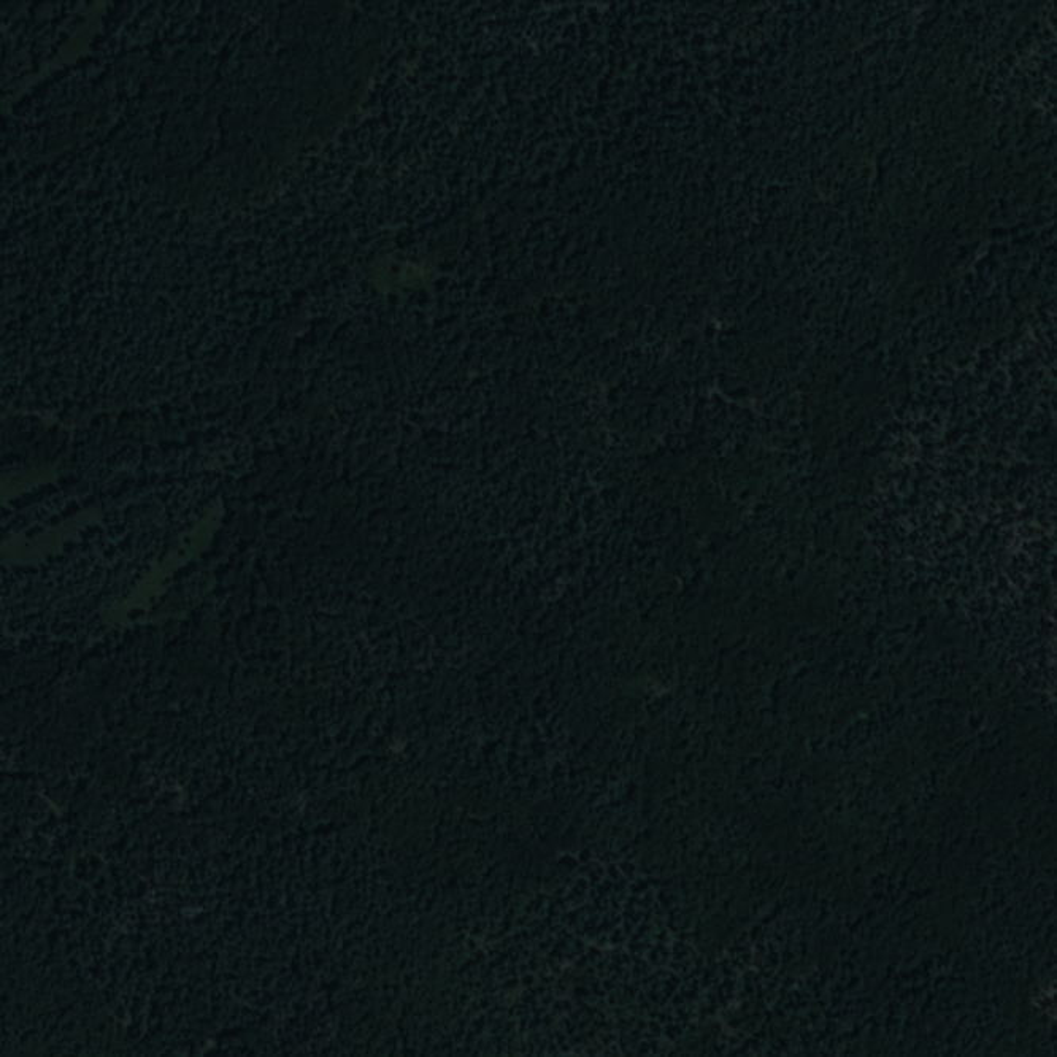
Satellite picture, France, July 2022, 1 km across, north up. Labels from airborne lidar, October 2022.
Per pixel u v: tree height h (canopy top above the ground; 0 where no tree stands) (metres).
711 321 8
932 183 14
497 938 12
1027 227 11
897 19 20
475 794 21
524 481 16
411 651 20
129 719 27
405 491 20
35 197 27
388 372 23
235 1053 22
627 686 19
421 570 22
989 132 13
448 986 16
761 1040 17
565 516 16
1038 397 20
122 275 11
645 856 20
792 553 17
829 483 14
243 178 20
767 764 23
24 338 19
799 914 22
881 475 15
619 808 24
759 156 20
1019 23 17
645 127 20
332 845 29
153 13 21
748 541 17
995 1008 21
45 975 20
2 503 0
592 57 21
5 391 16
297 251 6
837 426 15
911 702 17
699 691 8
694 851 17
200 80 23
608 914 18
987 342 18
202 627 24
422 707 20
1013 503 18
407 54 18
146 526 5
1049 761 18
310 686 18
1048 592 20
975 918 21
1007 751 21
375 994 19
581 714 18
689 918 20
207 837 25
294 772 18
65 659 26
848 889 23
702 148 12
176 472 15
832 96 15
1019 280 20
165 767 25
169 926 22
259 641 14
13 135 27
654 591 16
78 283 19
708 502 20
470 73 6
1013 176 21
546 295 19
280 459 17
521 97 16
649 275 16
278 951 25
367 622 20
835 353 18
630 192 19
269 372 29
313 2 23
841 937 22
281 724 19
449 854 21
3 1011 23
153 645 26
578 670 24
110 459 12
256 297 24
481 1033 15
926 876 21
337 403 20
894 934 20
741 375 17
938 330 13
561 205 22
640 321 19
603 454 11
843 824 14
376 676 21
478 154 16
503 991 18
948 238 25
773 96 14
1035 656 21
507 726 23
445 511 22
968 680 19
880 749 17
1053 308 22
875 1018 20
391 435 30
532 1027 19
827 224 12
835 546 19
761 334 17
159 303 11
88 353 20
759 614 16
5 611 10
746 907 17
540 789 26
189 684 22
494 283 25
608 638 20
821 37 15
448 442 18
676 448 19
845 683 24
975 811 20
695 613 18
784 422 17
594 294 19
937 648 22
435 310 11
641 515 19
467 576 21
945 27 20
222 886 30
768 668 20
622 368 25
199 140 23
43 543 0
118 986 22
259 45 26
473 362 23
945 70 16
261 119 22
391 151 15
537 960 15
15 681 25
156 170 20
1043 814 22
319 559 23
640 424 20
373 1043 23
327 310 27
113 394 21
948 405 28
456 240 24
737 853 19
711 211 10
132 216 18
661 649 17
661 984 19
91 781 27
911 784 20
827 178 12
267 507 22
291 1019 15
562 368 18
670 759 18
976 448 18
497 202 22
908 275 17
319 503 24
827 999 15
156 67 22
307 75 19
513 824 23
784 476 16
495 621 22
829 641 23
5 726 23
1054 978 11
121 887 11
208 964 23
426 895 23
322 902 22
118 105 23
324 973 21
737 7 21
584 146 10
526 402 23
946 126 18
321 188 17
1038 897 20
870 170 14
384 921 21
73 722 21
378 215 8
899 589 22
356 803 22
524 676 23
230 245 9
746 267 18
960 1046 17
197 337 15
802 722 20
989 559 20
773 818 20
